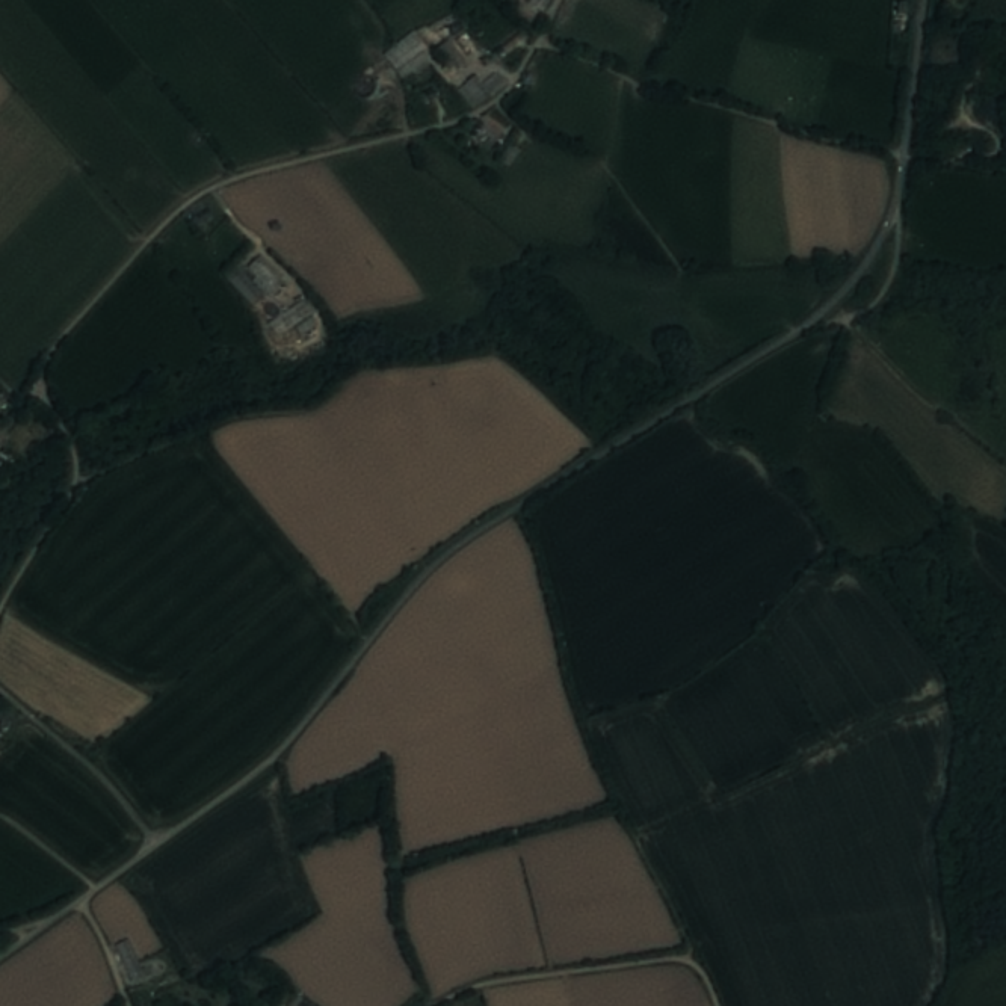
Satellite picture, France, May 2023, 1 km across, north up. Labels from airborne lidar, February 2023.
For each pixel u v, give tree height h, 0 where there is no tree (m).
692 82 0
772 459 6
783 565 0
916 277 7
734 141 0
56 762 0
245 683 0
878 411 0
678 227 0
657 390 6
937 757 0
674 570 0
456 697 0
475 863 0
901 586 10
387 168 0
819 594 0
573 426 0
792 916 0
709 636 0
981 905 10
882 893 0
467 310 0
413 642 0
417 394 0
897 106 11
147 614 0
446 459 0
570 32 0
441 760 0
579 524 0
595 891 0
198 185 0
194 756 0
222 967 15
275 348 0
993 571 0
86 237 0
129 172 0
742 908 0
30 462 8
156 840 0
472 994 9
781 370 0
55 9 0
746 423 0
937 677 0
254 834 0
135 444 9
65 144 0
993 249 0
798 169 0
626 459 0
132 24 0
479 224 0
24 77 0
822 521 10
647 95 16
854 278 0
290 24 0
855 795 0
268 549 0
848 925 0
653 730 0
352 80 0
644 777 0
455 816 0
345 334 9
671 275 0
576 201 0
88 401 0
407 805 0
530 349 9
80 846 0
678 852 0
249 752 0
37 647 0
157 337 0
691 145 0
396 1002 0
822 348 0
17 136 0
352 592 0
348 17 0
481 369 0
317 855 0
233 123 0
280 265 8
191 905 0
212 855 0
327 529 0
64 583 0
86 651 0
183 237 0
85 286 0
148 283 0
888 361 0
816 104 0
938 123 9
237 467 0
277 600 0
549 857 0
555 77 0
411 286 0
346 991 0
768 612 9
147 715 0
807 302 0
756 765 0
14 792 0
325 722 0
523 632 0
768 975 0
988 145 6
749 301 0
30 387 10
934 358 0
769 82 0
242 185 0
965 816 17
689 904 0
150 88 0
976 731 9
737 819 0
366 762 0
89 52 0
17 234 0
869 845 0
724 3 0
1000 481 0
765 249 0
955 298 8
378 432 0
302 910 0
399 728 0
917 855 0
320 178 0
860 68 0
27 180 0
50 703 0
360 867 0
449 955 0
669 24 0
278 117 0
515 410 0
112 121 0
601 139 0
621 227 0
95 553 0
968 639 10
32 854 0
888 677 0
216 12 0
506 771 0
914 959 0
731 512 0
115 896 0
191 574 0
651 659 0
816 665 0
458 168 0
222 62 0
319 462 0
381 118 0
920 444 0
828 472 0
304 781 0
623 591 0
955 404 0
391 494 0
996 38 12
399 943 12
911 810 0
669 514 0
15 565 9
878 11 0
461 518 0
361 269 0
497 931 0
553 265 11
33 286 0
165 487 0
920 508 0
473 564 0
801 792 0
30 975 0
